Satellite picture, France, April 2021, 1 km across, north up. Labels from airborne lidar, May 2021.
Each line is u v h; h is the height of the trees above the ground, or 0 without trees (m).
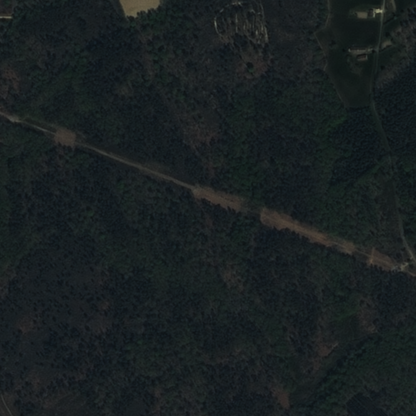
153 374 17
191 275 20
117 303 17
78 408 0
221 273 16
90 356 15
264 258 7
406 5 0
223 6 13
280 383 11
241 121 22
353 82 0
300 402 6
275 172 19
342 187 25
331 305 22
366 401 6
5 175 20
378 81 18
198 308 22
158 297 13
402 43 6
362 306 11
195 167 22
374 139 16
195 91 11
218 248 21
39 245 11
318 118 21
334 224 23
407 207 23
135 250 8
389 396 20
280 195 23
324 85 18
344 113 26
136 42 22
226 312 17
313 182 21
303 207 17
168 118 24
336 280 23
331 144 19
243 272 12
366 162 20
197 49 12
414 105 18
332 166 8
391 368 17
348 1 0
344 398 13
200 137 8
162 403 11
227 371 21
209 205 22
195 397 13
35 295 9
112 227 21
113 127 16
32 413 13
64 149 11
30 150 15
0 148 16
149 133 21
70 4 18
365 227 20
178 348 13
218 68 8
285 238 24
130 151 16
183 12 16
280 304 18
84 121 20
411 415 8
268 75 12
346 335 6
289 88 23
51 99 16
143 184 11
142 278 25
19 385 7
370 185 15
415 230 17
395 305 21
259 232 7
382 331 19
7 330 13
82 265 10
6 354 10
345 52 11
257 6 14
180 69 13
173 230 9
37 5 12
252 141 25
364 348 16
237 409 26
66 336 12
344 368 29
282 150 22
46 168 7
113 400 14
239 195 20
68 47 12
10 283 8
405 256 20
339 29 0
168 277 17
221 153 19
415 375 18
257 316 23
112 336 17
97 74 19
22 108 15
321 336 7
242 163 24
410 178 23
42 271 12
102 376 22
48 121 19
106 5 18
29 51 16
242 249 20
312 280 14
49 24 21
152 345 18
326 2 14
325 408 17
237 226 19
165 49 20
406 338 27
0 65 11
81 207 8
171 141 19
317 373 7
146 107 25
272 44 21
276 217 0
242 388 21
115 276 21
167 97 10
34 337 6
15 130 22
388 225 13
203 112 0
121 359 12
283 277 22
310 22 8
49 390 13
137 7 0
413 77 18
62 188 20
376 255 0
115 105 17
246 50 18
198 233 15
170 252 23
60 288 15
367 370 19
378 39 0
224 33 12
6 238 24
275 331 21
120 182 21
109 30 15
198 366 13
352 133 21
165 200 15
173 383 20
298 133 23
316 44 19
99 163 18
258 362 13
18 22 20
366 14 0
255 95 18
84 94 17
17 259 20
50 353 16
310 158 14
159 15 19
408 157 21
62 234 20
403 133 18
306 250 17
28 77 10
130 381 21
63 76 18
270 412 21
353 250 0
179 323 23
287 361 11
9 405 0
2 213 23
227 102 25
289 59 13
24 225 23
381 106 17
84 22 18
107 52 23
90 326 14
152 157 17
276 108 23
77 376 8
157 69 13
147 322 6
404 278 22
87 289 16
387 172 20
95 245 16
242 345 17
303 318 24
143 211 7
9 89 9
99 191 19
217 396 19
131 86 14
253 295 16
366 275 12
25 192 14
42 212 6
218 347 26
